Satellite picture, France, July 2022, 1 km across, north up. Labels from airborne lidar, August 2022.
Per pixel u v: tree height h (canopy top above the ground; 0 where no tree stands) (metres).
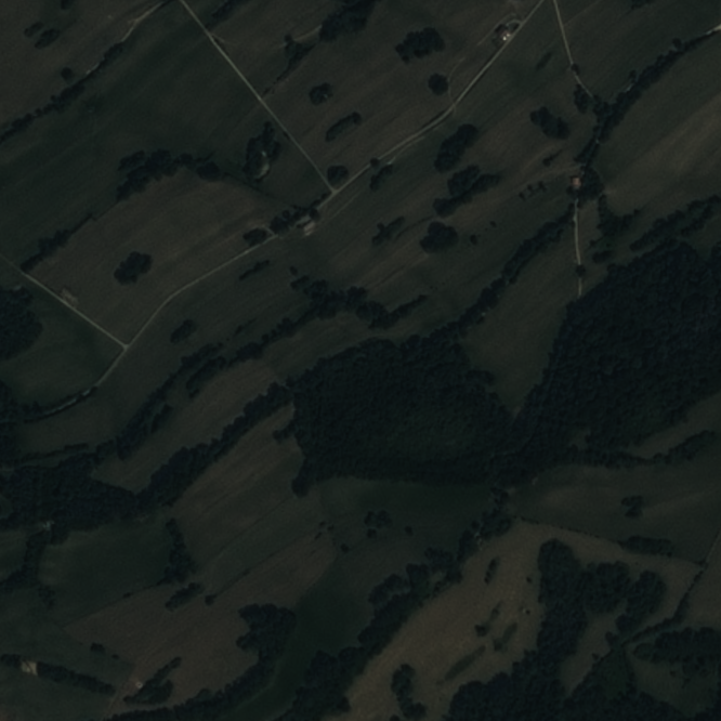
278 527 0
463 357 18
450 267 0
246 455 0
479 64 0
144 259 9
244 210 0
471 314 14
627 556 0
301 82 0
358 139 0
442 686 0
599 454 14
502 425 19
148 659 0
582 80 0
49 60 0
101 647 8
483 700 10
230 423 0
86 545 0
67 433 0
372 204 0
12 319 20
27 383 0
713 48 0
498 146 0
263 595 0
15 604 0
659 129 0
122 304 0
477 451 11
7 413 25
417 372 16
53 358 0
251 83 0
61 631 0
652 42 0
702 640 22
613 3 0
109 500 18
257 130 0
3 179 0
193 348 0
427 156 0
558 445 14
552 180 0
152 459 0
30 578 10
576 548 0
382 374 14
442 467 14
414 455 5
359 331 0
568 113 0
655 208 0
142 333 0
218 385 0
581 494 0
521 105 0
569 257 0
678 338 24
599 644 0
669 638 18
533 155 0
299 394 14
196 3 0
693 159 0
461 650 0
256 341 0
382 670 0
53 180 0
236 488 0
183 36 0
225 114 0
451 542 0
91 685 13
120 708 0
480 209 0
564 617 27
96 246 0
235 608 0
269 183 0
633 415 10
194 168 12
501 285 13
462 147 11
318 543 0
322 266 0
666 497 0
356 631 0
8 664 14
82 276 0
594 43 0
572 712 25
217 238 0
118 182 0
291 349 0
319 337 0
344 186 0
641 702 24
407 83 0
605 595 11
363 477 8
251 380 0
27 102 0
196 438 0
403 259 0
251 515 0
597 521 0
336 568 0
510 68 0
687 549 0
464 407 17
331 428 13
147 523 0
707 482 0
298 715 9
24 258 0
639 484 0
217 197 0
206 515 0
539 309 0
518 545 0
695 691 0
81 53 0
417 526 0
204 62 0
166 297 0
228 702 19
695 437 7
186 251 0
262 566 0
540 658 18
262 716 0
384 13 0
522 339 0
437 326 0
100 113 0
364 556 0
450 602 0
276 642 18
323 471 14
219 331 0
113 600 0
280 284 0
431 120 0
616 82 0
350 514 0
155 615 0
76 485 14
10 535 0
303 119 0
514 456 16
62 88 0
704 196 0
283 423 0
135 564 0
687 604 7
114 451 7
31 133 0
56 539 13
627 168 0
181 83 0
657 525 0
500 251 0
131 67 0
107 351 0
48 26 0
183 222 0
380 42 0
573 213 8
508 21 0
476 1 0
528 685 24
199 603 0
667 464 11
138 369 0
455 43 0
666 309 23
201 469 15
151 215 0
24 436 0
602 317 27
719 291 21
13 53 0
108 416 0
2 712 0
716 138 0
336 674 15
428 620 0
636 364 25
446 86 16
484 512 0
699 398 7
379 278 0
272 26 0
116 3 0
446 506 0
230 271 0
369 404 16
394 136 0
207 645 0
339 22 18
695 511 0
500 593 0
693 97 0
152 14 0
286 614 17
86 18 0
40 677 10
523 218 0
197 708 20
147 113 0
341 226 0
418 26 0
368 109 0
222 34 0
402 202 0
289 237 0
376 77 0
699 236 0
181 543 15
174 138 0
